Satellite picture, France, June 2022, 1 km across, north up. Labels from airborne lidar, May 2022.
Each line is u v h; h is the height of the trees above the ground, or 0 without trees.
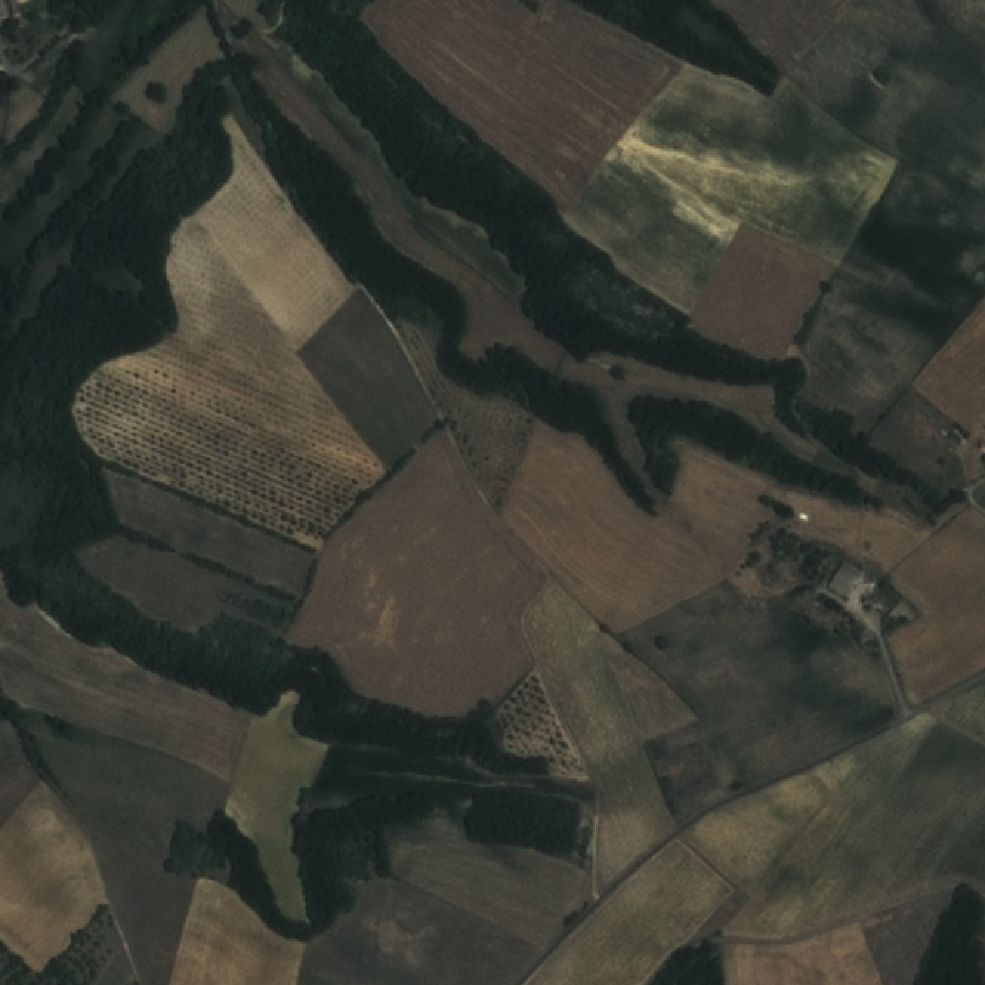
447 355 12
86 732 0
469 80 0
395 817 11
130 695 0
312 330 0
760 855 0
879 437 0
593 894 0
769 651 0
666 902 0
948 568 0
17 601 17
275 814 0
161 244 8
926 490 18
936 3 0
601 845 0
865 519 0
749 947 0
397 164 16
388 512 0
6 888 0
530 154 0
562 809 10
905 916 0
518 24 0
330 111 0
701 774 0
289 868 0
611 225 0
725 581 0
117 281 0
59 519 11
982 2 0
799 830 0
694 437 11
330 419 0
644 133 0
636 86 0
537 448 0
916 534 0
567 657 0
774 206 0
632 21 8
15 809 0
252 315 0
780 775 0
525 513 0
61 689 0
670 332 7
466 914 0
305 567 0
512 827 9
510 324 0
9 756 0
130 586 0
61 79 13
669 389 0
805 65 0
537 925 0
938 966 15
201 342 0
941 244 0
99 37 0
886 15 0
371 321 0
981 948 6
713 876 0
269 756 0
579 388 18
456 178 13
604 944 0
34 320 16
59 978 8
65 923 0
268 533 6
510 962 0
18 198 7
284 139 11
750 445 14
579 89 0
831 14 0
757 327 0
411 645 0
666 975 13
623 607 0
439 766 0
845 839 0
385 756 0
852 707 0
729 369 13
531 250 19
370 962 0
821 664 0
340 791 0
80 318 10
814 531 0
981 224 0
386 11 0
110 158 21
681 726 0
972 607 0
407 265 17
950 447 0
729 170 0
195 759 0
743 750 0
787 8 0
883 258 0
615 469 8
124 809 0
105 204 17
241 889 8
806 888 0
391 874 6
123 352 9
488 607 0
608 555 0
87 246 17
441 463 0
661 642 13
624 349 18
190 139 8
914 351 0
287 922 12
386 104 14
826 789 0
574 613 0
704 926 0
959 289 0
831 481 14
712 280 0
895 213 0
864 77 0
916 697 0
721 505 0
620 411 0
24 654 0
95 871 0
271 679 8
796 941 0
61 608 13
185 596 0
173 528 0
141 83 0
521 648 0
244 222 0
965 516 0
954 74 0
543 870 0
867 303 0
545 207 10
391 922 0
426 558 0
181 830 11
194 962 0
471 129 7
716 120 0
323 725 10
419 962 0
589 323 18
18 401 9
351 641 0
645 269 0
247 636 6
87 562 0
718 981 7
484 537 0
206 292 0
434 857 0
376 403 0
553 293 15
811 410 9
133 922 0
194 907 0
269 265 0
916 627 0
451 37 0
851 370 0
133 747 0
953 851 0
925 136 0
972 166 0
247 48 0
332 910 11
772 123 0
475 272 0
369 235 23
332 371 0
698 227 0
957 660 0
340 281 0
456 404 0
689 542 0
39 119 9
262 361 0
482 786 0
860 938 0
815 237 0
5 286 17
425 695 0
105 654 0
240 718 0
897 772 0
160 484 7
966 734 0
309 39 11
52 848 0
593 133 0
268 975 0
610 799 0
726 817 0
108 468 8
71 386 8
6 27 12
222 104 14
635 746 0
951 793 0
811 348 0
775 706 0
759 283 0
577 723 0
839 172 0
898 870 0
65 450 13
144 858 0
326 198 17
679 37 12
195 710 0
